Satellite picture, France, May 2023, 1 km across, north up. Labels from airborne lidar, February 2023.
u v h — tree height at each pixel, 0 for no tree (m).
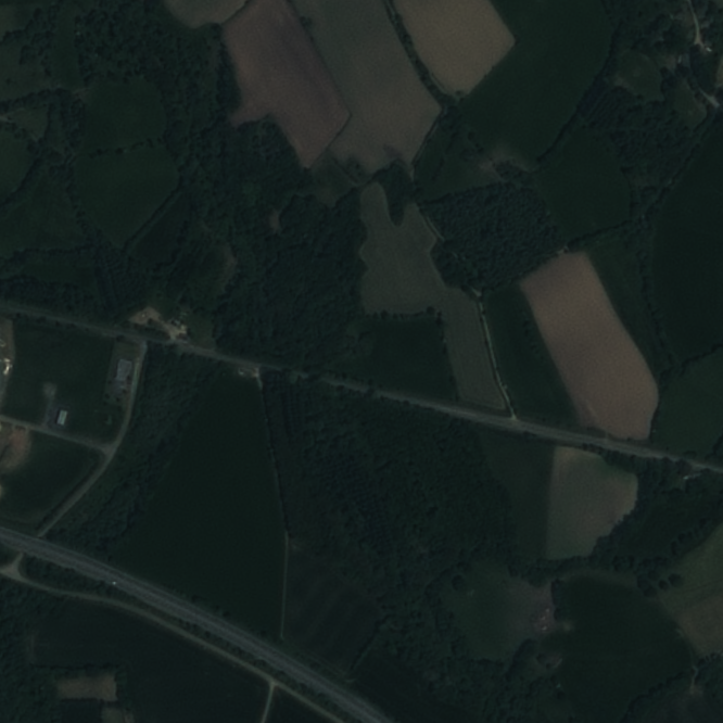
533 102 0
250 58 0
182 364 11
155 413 7
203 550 0
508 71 0
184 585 0
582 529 0
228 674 0
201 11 0
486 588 0
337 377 13
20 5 0
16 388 0
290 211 12
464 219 17
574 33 0
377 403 14
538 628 0
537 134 0
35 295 31
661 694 16
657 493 10
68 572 8
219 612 8
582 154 0
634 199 8
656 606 0
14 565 0
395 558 15
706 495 11
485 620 0
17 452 0
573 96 0
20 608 18
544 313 0
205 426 0
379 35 0
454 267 9
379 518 32
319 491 21
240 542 0
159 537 0
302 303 8
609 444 0
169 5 0
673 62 0
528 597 0
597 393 0
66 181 16
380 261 0
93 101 0
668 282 0
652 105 7
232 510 0
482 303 10
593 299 0
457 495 13
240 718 0
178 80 8
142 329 6
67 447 0
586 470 0
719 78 0
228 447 0
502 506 16
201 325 0
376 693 0
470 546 14
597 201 0
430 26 0
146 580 0
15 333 0
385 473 15
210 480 0
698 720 0
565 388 0
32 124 0
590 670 0
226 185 16
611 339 0
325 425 17
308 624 0
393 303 0
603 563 9
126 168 0
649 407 0
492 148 0
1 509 0
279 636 0
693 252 0
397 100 0
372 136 0
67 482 0
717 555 0
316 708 0
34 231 0
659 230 0
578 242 11
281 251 8
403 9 0
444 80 0
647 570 16
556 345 0
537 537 0
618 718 0
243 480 0
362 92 0
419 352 0
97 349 0
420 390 0
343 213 11
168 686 0
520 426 0
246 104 0
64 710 12
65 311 9
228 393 0
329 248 14
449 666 15
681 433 0
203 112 7
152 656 0
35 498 0
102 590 12
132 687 0
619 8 9
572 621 0
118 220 0
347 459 18
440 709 0
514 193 15
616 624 0
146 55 18
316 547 14
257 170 18
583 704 0
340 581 0
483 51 0
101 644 0
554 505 0
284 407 29
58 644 0
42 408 0
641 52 14
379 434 15
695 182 0
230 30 0
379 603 15
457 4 0
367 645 7
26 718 8
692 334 0
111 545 18
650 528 0
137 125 0
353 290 11
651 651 0
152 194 0
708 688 9
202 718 0
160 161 0
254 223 19
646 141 19
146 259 0
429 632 7
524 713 11
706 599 0
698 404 0
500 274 17
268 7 0
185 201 0
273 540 0
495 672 19
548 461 0
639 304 0
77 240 0
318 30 0
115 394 0
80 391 0
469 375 0
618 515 0
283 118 0
